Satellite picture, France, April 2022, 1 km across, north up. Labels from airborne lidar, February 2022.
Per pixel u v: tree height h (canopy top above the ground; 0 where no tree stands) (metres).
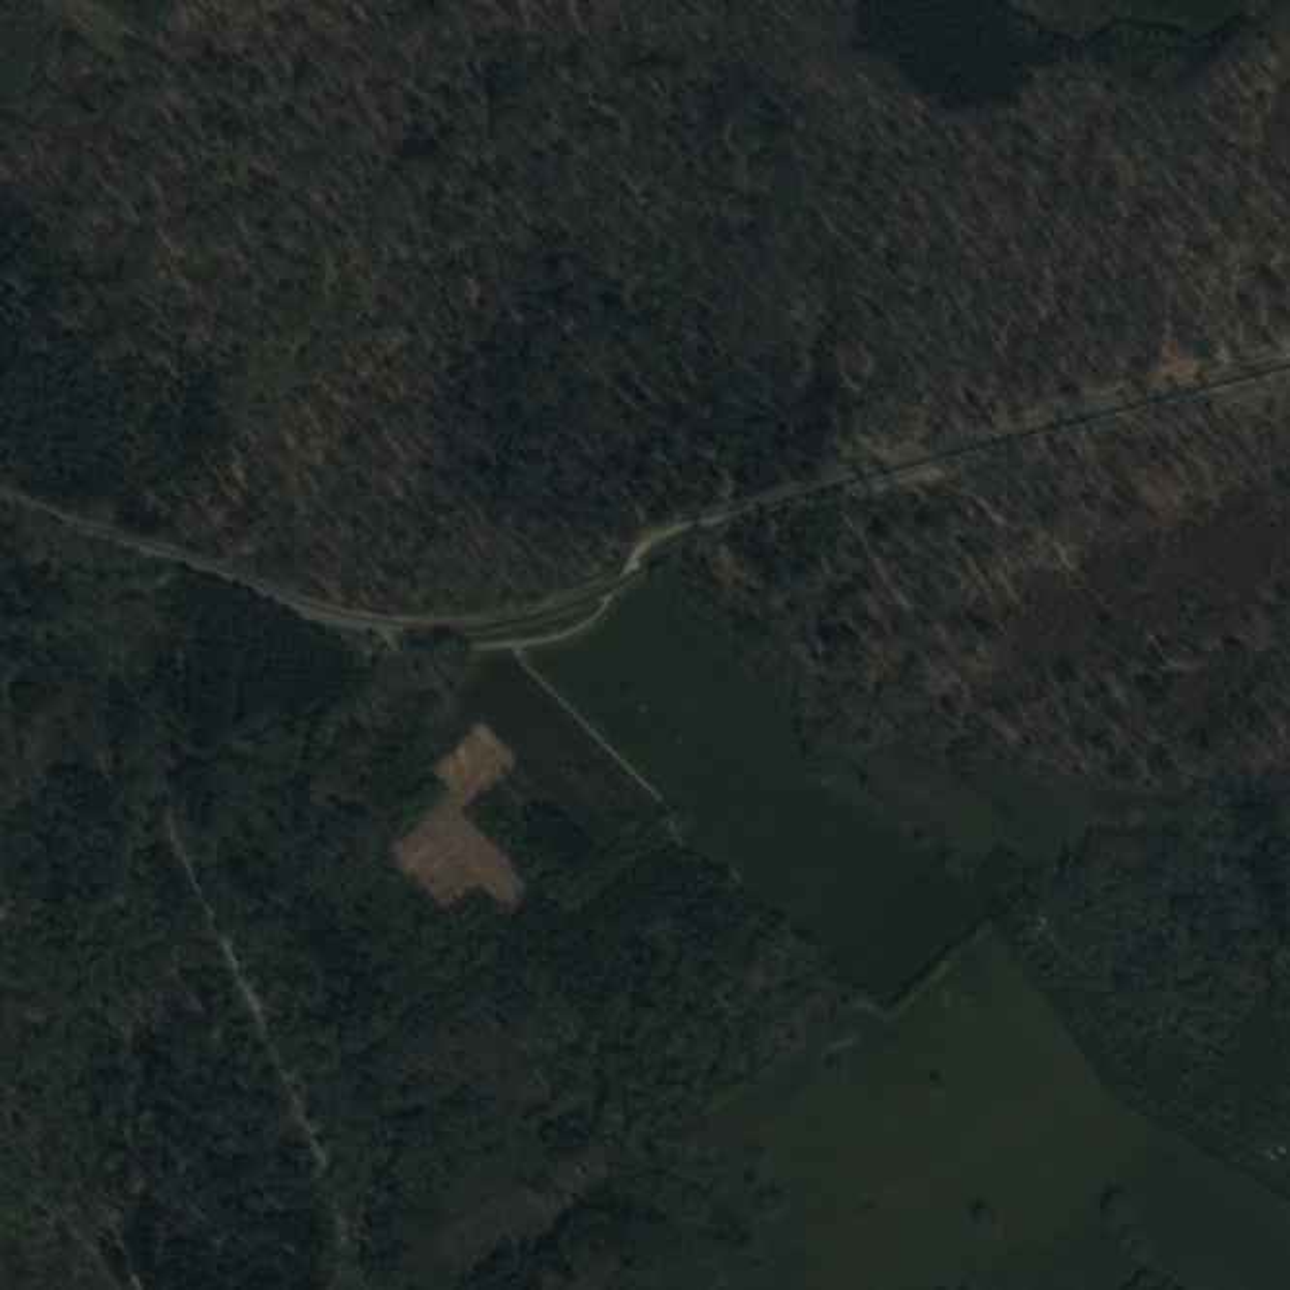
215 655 27
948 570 33
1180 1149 0
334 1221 12
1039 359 34
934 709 26
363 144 35
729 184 37
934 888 0
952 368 34
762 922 9
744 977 26
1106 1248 0
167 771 28
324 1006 33
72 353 25
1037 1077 0
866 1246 0
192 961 28
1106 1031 6
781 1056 18
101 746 0
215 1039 30
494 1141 27
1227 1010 13
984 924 8
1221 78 37
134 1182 10
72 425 32
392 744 26
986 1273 0
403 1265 28
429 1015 12
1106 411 0
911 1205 0
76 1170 35
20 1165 32
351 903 31
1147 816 0
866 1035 0
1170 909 22
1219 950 24
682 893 13
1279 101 9
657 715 0
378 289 33
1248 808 24
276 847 0
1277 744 30
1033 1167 0
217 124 12
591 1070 29
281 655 24
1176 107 33
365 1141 32
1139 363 32
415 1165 28
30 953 26
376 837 28
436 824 0
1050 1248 0
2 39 10
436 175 42
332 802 35
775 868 0
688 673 0
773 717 0
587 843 28
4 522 32
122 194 29
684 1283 0
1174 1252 0
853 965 0
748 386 28
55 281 18
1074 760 28
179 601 20
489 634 0
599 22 33
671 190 34
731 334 6
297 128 31
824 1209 0
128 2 0
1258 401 0
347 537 32
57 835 8
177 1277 18
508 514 29
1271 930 21
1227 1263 0
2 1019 29
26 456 15
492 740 0
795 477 25
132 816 19
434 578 32
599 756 0
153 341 23
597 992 14
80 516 22
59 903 11
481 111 33
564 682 0
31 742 31
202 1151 36
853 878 0
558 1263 26
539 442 39
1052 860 0
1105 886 24
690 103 33
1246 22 9
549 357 36
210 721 28
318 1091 20
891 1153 0
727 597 27
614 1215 12
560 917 16
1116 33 12
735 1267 0
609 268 37
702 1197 24
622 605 0
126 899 26
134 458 27
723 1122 0
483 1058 29
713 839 0
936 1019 0
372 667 21
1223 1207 0
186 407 21
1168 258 32
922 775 0
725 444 26
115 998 31
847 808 0
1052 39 21
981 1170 0
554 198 37
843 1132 0
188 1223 37
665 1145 23
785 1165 0
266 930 27
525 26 33
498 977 12
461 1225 0
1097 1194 0
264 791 29
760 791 0
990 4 24
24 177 32
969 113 16
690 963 23
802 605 24
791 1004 25
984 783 0
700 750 0
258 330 25
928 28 26
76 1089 36
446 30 35
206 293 25
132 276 25
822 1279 0
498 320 35
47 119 8
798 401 30
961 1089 0
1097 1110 0
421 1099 33
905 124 38
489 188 36
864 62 34
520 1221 0
